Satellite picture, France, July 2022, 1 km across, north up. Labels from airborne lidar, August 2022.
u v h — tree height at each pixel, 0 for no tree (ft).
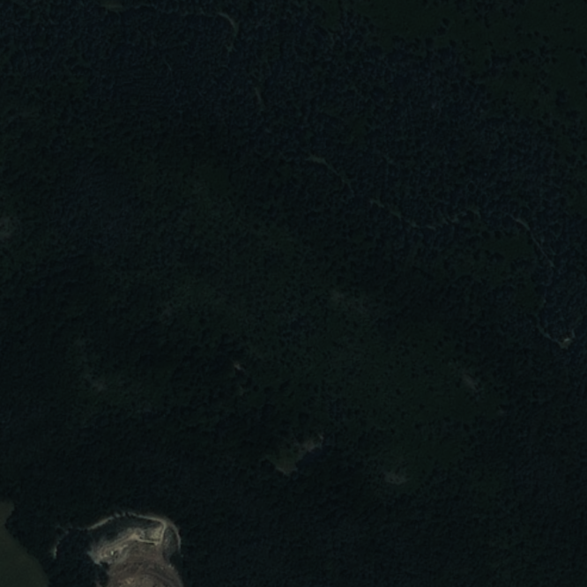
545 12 19
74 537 59
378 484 24
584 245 74
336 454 80
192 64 88
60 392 70
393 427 18
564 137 18
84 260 60
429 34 20
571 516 56
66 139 31
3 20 70
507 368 50
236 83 108
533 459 70
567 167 64
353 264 59
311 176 77
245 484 66
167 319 52
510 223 73
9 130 65
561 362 66
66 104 30
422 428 47
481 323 52
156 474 32
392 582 72
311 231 32
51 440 54
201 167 23
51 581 40
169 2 73
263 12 106
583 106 20
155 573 0
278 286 19
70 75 25
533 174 88
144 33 81
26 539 43
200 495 67
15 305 59
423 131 40
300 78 57
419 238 81
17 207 31
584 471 73
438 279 38
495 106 28
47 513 48
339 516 54
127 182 72
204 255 51
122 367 42
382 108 87
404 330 57
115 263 28
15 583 0
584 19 21
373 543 55
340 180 60
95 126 59
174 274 23
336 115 20
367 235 32
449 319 60
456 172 89
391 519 73
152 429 60
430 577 69
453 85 30
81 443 45
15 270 24
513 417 67
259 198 69
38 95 24
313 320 48
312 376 18
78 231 63
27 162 33
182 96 88
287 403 20
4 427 73
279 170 29
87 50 65
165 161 64
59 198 48
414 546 53
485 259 23
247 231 30
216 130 81
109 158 41
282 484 42
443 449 19
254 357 38
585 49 31
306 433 25
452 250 23
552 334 93
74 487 58
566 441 62
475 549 54
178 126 60
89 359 31
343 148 91
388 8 29
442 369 22
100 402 20
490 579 64
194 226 58
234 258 23
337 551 67
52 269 47
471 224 19
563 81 19
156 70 52
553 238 59
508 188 103
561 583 50
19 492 52
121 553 0
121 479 53
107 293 57
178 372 64
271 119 36
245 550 72
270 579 55
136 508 66
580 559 56
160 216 35
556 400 62
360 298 18
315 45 24
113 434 60
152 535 0
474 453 21
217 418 36
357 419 25
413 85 95
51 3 23
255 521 48
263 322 37
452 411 23
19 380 58
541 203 39
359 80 82
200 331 22
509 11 51
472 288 71
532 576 29
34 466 77
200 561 60
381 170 64
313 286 22
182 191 34
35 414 78
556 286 80
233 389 64
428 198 54
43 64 74
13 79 55
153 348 64
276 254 33
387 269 68
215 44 91
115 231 72
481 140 60
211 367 65
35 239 52
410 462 19
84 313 38
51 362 75
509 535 34
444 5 20
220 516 40
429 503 49
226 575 67
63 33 68
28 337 70
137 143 41
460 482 44
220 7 32
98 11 73
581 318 34
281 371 24
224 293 52
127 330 52
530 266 67
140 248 55
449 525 59
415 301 64
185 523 57
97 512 66
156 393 18
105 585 31
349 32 85
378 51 94
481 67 20
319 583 56
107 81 58
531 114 28
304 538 46
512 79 18
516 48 22
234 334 53
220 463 38
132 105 61
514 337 31
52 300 74
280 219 59
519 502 42
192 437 57
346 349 21
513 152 77
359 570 56
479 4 61
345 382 28
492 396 20
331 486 80
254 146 77
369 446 68
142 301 48
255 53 26
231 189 18
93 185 63
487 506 21
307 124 19
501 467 31
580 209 19
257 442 69
